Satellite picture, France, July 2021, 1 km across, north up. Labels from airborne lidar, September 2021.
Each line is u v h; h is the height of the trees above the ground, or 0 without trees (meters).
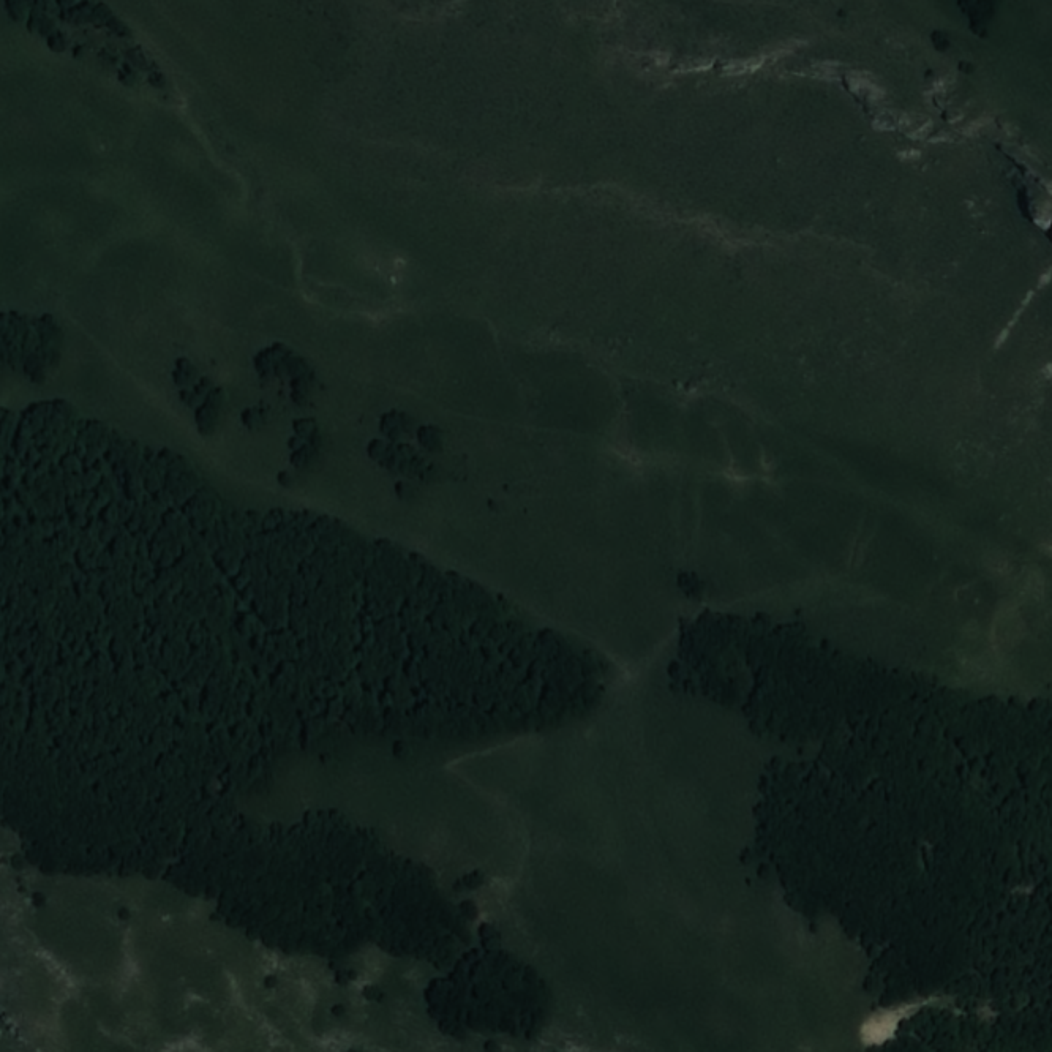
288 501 0
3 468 22
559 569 0
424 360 0
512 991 15
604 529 0
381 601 26
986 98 0
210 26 0
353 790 0
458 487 0
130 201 0
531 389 0
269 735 22
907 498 0
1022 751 26
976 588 0
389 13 0
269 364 20
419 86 0
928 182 0
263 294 0
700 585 16
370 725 19
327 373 0
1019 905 21
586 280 0
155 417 0
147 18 0
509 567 0
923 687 21
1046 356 0
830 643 14
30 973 0
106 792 17
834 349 0
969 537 0
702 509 0
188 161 0
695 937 0
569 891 0
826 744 8
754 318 0
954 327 0
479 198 0
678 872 0
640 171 0
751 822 0
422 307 0
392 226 0
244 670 23
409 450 16
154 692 23
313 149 0
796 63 0
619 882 0
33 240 0
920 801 19
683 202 0
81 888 0
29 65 0
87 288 0
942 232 0
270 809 0
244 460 0
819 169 0
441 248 0
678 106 0
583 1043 0
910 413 0
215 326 0
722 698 12
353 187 0
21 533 24
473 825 0
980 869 20
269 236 0
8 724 17
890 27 0
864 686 22
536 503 0
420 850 0
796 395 0
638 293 0
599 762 0
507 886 0
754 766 0
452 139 0
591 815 0
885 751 19
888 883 19
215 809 18
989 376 0
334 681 26
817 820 16
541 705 21
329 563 27
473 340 0
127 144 0
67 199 0
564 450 0
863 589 0
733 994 0
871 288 0
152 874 12
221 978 0
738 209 0
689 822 0
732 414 0
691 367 0
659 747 0
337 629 29
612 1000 0
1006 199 0
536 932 0
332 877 15
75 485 27
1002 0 13
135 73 26
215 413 17
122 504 27
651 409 0
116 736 22
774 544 0
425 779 0
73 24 25
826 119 0
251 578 26
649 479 0
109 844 17
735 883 0
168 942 0
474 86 0
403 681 7
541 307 0
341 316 0
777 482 0
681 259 0
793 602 0
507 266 0
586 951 0
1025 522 0
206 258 0
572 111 0
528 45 0
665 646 0
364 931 14
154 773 22
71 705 21
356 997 0
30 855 9
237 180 0
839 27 0
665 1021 0
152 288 0
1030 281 0
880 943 13
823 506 0
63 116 0
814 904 13
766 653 19
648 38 0
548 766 0
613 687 0
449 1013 16
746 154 0
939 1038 30
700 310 0
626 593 0
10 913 0
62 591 24
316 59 0
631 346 0
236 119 0
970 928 13
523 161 0
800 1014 0
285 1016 0
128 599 29
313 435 20
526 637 19
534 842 0
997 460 0
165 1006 0
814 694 22
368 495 0
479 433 0
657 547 0
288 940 16
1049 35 0
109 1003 0
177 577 29
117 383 0
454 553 0
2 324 23
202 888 9
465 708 23
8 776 19
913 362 0
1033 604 0
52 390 0
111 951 0
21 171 0
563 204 0
